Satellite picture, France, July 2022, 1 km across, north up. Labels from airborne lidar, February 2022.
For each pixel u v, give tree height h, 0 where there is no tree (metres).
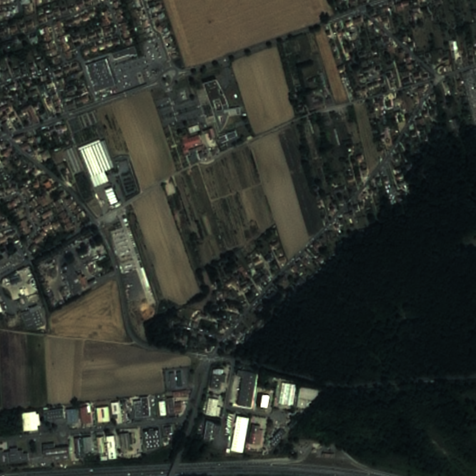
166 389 0
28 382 0
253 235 0
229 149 0
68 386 0
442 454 0
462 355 18
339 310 22
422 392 16
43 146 10
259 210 0
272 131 0
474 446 0
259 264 0
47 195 0
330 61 0
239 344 0
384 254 22
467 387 12
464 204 25
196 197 0
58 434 0
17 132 0
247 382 0
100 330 0
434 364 19
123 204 0
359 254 22
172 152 0
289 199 0
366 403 18
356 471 0
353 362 15
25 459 0
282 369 10
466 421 14
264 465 0
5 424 17
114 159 0
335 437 11
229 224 0
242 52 0
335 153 0
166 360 0
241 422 0
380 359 7
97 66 0
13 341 0
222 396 7
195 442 15
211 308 13
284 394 0
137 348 0
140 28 0
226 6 0
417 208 18
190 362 0
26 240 11
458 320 21
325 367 19
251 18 0
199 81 0
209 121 0
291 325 18
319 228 0
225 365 5
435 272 20
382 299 14
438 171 23
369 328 11
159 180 0
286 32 0
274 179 0
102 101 0
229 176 0
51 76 0
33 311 0
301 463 0
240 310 8
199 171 0
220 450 0
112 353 0
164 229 0
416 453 8
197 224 6
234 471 0
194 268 0
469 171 16
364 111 0
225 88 0
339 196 14
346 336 15
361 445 8
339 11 10
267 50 0
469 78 0
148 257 0
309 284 19
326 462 0
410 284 19
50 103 0
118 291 0
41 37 7
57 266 0
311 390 0
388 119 13
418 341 18
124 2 9
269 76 0
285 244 0
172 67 0
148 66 0
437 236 20
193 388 0
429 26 0
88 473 0
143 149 0
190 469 0
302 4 0
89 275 0
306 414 15
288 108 0
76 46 8
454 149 10
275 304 15
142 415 0
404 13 0
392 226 20
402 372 10
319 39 0
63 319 0
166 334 15
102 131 0
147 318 0
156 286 0
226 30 0
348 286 18
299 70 10
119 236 0
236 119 0
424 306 18
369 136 0
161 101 0
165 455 0
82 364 0
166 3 0
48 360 0
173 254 0
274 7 0
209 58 0
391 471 0
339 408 16
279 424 0
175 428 0
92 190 0
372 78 0
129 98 0
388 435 8
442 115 7
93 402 0
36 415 0
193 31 0
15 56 12
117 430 5
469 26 9
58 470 0
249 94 0
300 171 0
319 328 22
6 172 0
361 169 8
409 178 20
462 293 21
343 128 0
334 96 0
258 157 0
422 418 7
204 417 9
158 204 0
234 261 13
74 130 0
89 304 0
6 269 0
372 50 6
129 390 0
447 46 11
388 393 15
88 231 12
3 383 0
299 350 13
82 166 0
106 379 0
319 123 6
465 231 22
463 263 24
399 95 8
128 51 0
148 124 0
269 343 19
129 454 0
